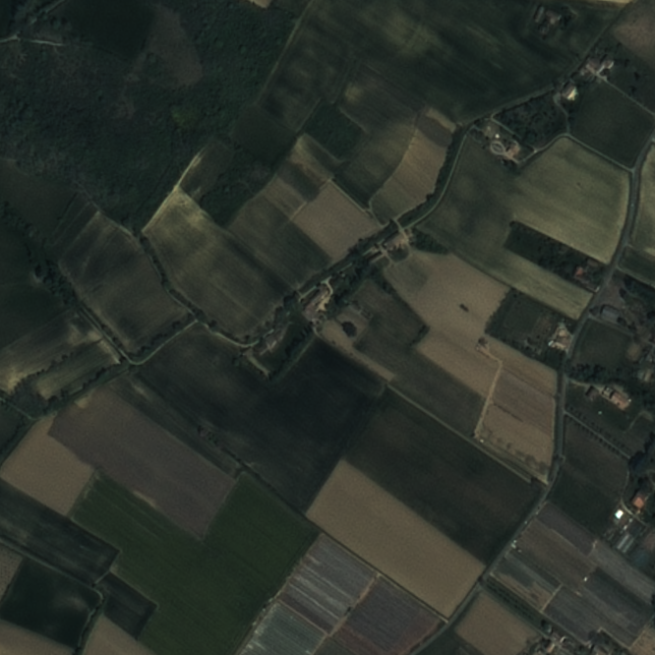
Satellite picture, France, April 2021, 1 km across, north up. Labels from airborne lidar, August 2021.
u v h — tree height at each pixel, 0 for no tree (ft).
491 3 0
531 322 0
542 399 0
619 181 0
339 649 0
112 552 0
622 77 0
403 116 0
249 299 0
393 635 0
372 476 0
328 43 0
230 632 0
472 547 0
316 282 45
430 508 0
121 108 0
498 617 0
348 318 0
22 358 0
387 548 0
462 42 0
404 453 0
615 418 0
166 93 27
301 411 0
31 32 30
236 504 0
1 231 0
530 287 0
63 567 0
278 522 0
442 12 0
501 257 0
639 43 0
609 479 0
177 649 0
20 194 0
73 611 0
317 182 0
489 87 0
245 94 22
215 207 45
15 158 62
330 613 0
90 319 0
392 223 33
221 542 0
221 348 0
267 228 0
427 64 0
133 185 19
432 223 0
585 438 0
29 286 0
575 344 0
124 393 0
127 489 0
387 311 0
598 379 55
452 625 0
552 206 0
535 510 0
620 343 0
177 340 0
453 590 0
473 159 0
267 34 30
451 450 0
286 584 0
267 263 0
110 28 0
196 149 28
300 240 0
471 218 0
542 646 24
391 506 0
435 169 0
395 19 0
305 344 28
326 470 0
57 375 0
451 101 0
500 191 0
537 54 0
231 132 24
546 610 0
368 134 0
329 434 0
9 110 27
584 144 0
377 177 0
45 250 20
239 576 0
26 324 0
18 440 29
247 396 0
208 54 33
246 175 25
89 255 0
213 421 0
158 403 0
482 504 0
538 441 0
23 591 0
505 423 0
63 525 0
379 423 0
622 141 0
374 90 0
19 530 0
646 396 31
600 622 0
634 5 0
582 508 0
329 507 0
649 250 0
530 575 0
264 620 0
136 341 0
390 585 0
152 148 26
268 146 0
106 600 29
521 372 0
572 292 0
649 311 0
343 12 0
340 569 0
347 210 0
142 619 0
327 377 0
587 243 0
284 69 0
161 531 0
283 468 0
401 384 0
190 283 0
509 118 39
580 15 0
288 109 0
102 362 0
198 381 0
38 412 64
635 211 0
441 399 0
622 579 0
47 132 47
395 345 0
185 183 0
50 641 0
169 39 0
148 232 0
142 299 0
